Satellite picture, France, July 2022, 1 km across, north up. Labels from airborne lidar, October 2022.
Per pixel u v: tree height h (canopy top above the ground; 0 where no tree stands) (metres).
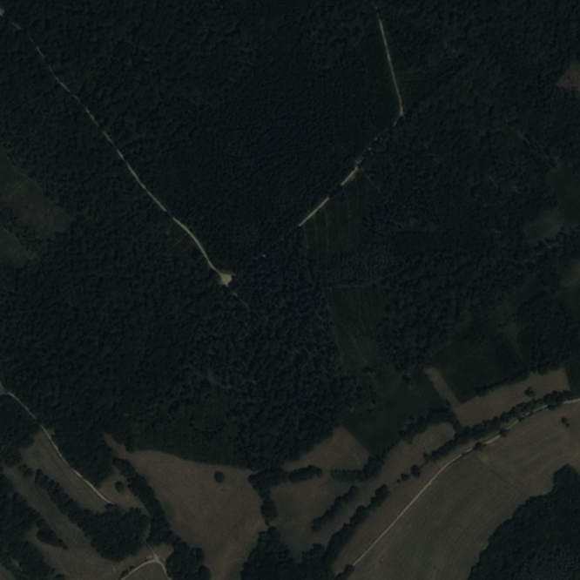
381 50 5
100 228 17
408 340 26
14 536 17
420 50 8
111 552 16
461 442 14
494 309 20
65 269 16
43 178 15
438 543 0
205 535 0
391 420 0
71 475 0
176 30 19
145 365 23
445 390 0
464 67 19
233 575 0
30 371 20
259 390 19
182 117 19
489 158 19
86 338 22
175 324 21
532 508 16
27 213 0
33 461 0
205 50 14
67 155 14
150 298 20
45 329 21
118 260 19
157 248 18
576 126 24
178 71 21
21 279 17
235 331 26
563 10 19
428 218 5
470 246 13
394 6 20
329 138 17
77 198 19
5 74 21
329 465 0
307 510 0
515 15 15
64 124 13
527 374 15
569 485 20
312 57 15
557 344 9
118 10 23
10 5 22
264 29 16
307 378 21
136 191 19
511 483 0
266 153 18
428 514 0
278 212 7
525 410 11
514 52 11
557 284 19
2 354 13
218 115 12
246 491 0
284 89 14
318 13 16
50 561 0
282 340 26
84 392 20
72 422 20
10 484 14
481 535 0
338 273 10
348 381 18
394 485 0
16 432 16
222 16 24
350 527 14
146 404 17
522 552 14
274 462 23
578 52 10
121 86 17
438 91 21
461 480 0
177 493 0
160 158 9
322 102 19
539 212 17
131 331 19
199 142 14
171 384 20
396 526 0
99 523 16
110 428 25
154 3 16
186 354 24
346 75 16
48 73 23
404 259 10
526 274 25
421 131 20
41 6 23
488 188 18
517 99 24
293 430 25
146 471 0
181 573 18
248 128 17
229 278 0
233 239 16
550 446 0
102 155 20
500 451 0
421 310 17
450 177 16
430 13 23
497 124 23
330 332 26
